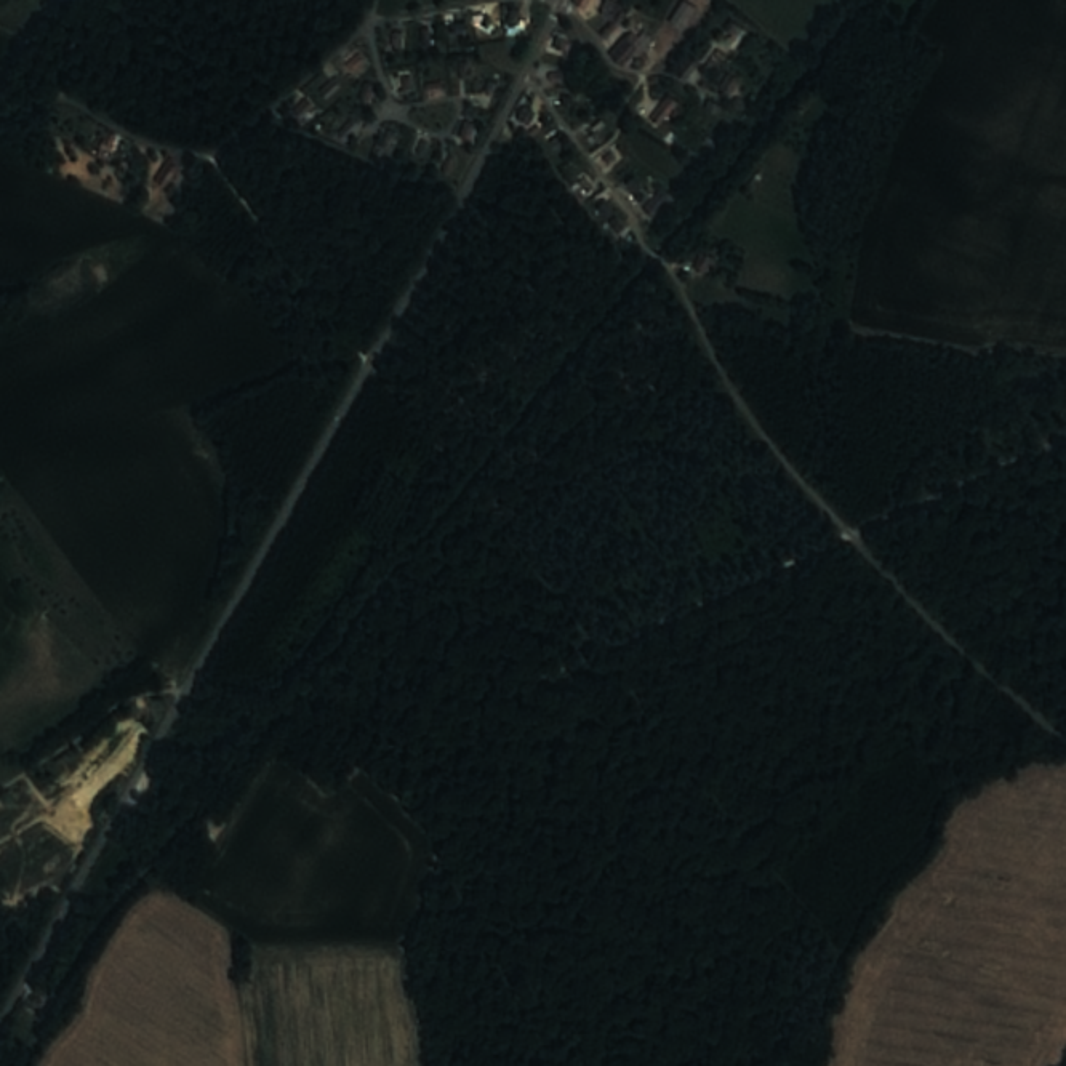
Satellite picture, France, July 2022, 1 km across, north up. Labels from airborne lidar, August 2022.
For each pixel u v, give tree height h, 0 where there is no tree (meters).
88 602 0
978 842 0
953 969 0
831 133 22
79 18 22
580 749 26
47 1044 11
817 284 11
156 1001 0
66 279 0
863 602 19
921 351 11
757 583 12
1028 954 0
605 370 24
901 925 0
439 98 0
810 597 21
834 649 17
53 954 14
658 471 21
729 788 17
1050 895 0
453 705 24
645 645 23
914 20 14
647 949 17
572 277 18
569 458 23
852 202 30
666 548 26
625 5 9
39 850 0
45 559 0
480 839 20
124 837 18
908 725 19
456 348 21
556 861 10
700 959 24
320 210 17
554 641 24
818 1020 24
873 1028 0
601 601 26
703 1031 25
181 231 15
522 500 18
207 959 0
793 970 17
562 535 28
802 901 9
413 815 20
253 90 30
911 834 6
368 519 23
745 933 23
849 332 23
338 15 21
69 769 0
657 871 25
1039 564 25
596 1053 21
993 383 18
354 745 20
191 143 13
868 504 12
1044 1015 0
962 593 23
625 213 0
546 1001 22
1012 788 0
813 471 8
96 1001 0
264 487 13
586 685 21
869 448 17
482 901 22
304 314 15
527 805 23
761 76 13
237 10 18
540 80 0
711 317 11
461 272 20
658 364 16
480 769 14
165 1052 0
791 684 17
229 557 16
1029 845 0
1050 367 18
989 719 21
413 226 22
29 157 19
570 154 13
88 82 22
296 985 0
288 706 19
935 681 25
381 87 13
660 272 20
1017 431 24
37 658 0
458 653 26
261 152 21
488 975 22
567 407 27
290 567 14
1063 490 26
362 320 17
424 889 15
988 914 0
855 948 9
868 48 16
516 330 21
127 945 0
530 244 22
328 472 15
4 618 0
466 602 22
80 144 9
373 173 23
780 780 23
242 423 15
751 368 16
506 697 24
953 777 21
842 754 19
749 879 21
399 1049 0
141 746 7
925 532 28
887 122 27
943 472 21
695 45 9
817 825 23
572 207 26
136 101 10
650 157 0
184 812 20
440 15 6
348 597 9
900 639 18
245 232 17
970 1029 0
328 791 13
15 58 17
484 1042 17
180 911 0
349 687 24
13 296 21
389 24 6
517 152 11
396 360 21
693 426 25
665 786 14
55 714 0
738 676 22
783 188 0
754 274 0
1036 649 28
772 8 0
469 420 19
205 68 33
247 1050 0
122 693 16
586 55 23
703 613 17
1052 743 16
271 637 8
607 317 19
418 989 19
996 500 24
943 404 12
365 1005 0
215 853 10
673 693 24
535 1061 25
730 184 15
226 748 22
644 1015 24
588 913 22
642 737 23
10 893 0
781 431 19
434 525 20
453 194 23
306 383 12
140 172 7
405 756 25
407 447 8
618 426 23
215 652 10
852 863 6
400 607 18
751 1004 27
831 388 18
